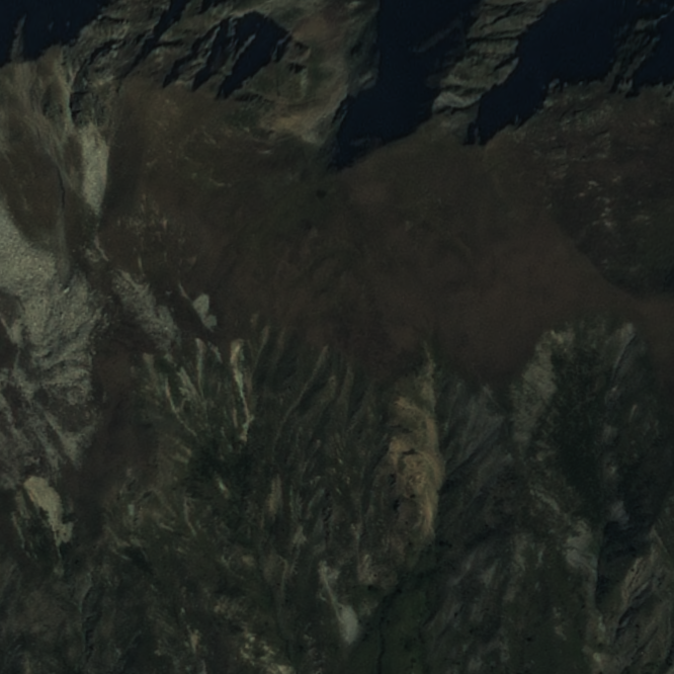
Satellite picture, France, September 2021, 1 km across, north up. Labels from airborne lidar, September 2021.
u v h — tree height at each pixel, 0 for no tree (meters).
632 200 0
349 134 0
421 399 0
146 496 0
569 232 0
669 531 0
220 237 0
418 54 0
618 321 0
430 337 0
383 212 0
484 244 0
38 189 0
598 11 7
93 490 0
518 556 0
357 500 0
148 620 0
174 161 0
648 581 0
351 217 0
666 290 0
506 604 0
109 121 0
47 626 0
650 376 0
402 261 0
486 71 0
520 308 0
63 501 0
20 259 0
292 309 0
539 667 0
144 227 0
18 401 0
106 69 0
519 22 0
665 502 0
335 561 0
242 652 0
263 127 0
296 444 0
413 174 0
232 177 0
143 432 0
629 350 0
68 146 0
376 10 0
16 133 0
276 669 0
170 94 0
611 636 0
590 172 0
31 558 0
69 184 0
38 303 0
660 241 0
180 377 0
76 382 0
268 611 0
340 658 0
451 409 0
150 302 0
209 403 0
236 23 0
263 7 0
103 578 0
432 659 0
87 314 0
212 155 0
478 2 6
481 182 0
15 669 0
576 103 0
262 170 0
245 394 0
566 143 0
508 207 0
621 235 0
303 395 0
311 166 0
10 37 0
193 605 0
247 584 0
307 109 0
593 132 0
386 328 0
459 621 0
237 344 0
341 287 0
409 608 0
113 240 0
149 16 0
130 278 0
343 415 0
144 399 0
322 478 0
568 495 0
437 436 0
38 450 0
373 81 0
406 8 0
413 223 0
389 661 0
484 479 0
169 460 0
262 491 0
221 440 0
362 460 0
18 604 0
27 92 0
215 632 0
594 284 0
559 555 0
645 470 0
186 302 0
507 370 0
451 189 0
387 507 0
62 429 0
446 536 0
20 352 0
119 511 0
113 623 0
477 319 0
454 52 0
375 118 0
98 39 0
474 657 0
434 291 0
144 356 0
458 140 0
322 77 0
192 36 0
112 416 0
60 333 0
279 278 0
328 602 0
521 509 0
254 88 0
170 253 0
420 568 0
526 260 0
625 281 0
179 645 0
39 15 0
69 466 0
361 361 0
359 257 0
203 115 0
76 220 0
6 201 0
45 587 0
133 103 0
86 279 0
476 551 0
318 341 0
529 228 0
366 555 0
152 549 0
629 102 0
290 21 0
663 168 0
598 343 0
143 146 0
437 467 0
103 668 0
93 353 0
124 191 0
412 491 7
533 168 0
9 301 0
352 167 0
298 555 0
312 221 0
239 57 0
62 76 0
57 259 0
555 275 0
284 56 0
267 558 0
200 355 0
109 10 0
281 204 0
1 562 0
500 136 0
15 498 0
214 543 0
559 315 0
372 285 0
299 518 0
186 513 0
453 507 0
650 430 0
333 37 0
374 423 0
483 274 0
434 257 0
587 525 0
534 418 0
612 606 0
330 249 0
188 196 0
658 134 0
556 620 0
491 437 0
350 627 0
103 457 0
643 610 0
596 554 0
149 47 0
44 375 0
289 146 0
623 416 0
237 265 0
